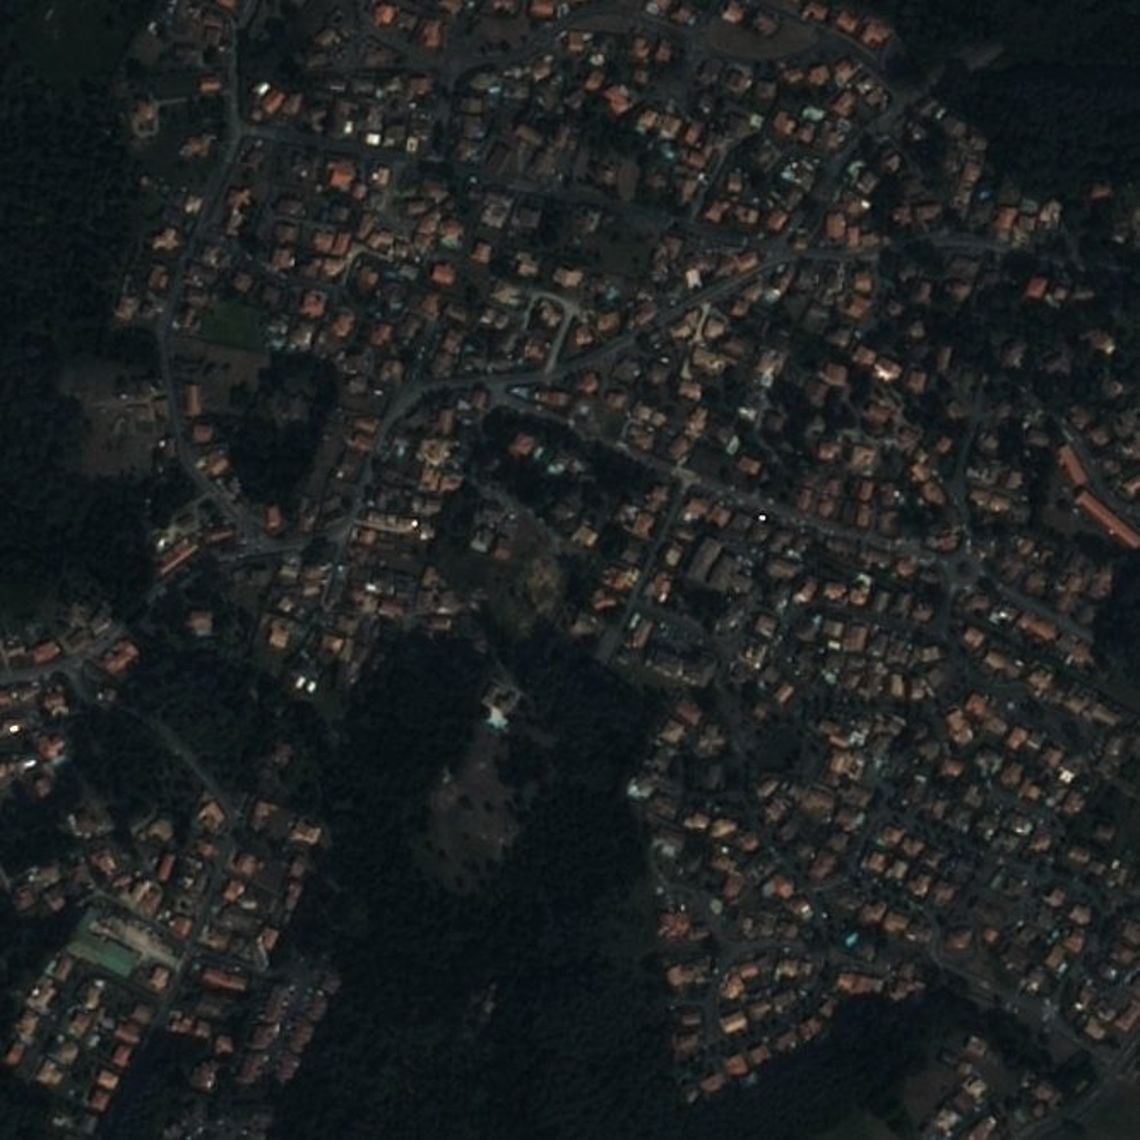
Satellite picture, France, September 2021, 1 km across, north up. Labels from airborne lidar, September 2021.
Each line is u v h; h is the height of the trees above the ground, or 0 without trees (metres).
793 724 10
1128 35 13
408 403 0
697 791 8
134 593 15
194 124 7
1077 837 6
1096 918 11
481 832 0
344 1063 15
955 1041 0
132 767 7
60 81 0
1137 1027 0
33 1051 0
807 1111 19
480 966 17
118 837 11
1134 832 0
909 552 0
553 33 0
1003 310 25
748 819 13
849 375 12
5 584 11
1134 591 27
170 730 21
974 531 11
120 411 0
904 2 20
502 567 0
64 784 9
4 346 20
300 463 16
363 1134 25
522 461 8
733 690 9
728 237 0
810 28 0
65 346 0
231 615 10
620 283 0
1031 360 10
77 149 13
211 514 7
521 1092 24
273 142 0
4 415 12
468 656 13
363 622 0
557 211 6
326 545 9
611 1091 26
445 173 12
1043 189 24
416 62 0
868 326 0
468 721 9
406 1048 7
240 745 11
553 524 10
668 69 8
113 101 7
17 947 24
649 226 0
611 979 24
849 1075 17
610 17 0
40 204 7
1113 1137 0
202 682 26
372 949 11
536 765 12
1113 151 9
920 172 23
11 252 18
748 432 14
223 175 0
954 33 22
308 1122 17
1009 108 12
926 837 7
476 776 0
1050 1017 0
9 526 21
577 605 13
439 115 0
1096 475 0
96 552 20
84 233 9
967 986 9
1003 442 15
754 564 0
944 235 0
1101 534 0
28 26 0
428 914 20
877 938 9
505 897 6
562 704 27
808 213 16
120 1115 23
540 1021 27
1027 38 16
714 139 0
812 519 0
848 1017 8
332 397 13
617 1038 23
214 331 0
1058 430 13
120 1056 0
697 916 0
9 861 14
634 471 8
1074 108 21
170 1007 0
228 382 0
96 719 13
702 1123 20
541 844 7
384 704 14
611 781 8
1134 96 24
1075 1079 10
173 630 8
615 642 0
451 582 0
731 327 6
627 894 30
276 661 0
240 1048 9
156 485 7
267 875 0
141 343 7
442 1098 9
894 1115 21
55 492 23
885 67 0
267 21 0
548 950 23
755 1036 8
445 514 8
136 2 34
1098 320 14
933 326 12
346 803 14
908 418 8
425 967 22
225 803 0
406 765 17
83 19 0
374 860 20
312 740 9
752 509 0
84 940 0
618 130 6
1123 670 30
